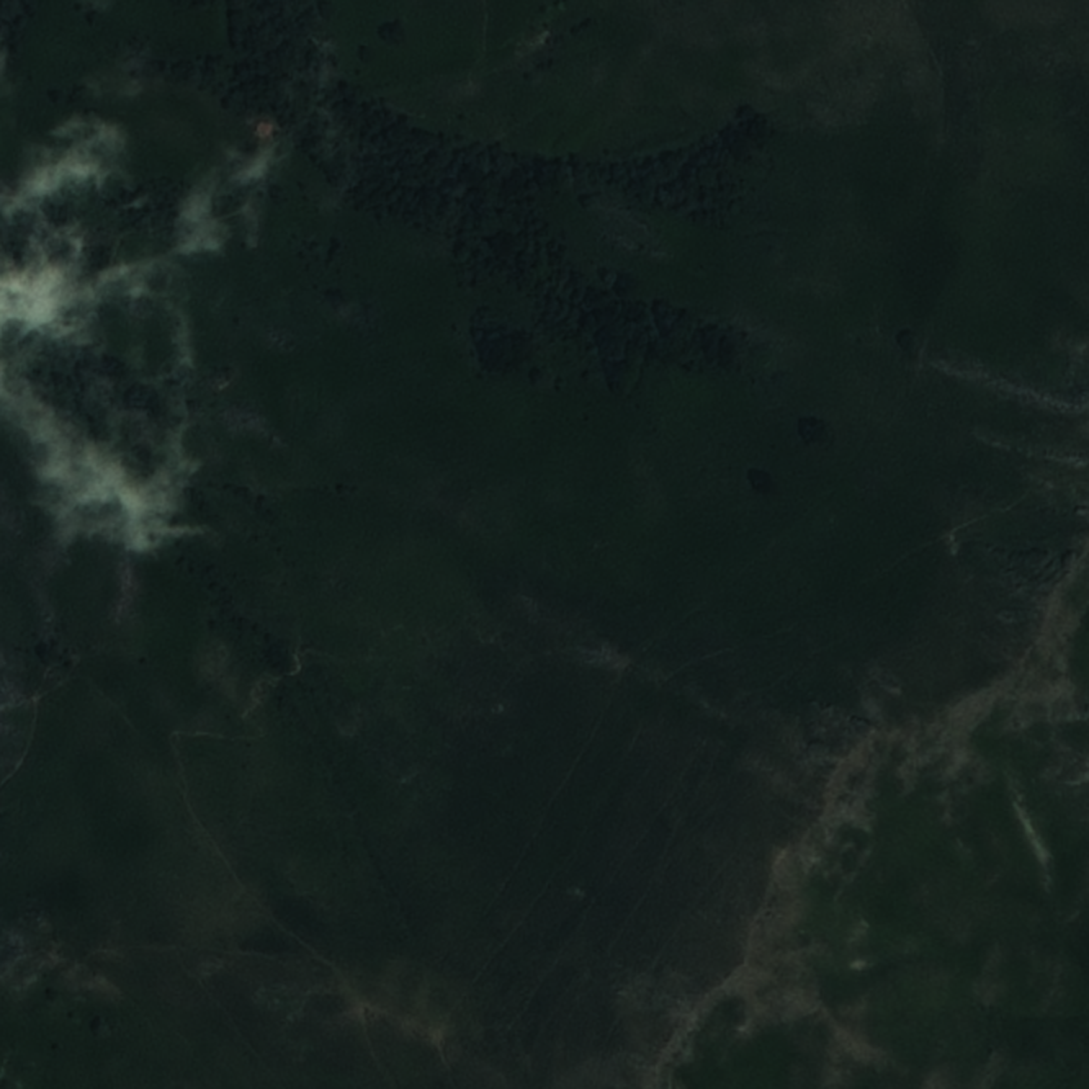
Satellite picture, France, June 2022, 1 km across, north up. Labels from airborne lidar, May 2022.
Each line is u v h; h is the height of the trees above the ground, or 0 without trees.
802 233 0
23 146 0
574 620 0
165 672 0
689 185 15
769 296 0
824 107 0
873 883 0
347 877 0
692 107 0
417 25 0
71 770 0
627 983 0
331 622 0
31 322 19
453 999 0
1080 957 0
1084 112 0
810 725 0
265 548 0
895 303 0
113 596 0
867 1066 0
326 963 0
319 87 12
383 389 0
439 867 0
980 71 0
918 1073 0
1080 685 0
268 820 0
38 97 0
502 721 0
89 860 0
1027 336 0
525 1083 0
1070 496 0
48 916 0
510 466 0
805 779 0
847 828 0
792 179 0
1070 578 0
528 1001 0
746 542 0
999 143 0
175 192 7
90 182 0
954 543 0
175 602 0
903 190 0
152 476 8
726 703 0
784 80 0
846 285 0
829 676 0
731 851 0
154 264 0
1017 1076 0
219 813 0
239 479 0
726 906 0
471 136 0
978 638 0
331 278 0
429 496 0
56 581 0
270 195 16
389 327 0
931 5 0
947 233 0
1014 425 0
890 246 0
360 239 0
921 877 0
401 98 0
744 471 0
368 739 0
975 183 0
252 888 0
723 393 0
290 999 0
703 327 12
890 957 0
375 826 0
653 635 0
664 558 0
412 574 0
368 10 0
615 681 0
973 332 0
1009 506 0
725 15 0
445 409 0
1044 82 0
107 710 0
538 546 0
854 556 0
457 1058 0
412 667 0
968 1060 0
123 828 0
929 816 0
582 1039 0
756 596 0
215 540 0
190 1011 0
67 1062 0
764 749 0
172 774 0
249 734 0
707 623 0
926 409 0
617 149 0
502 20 0
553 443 0
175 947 0
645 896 0
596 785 0
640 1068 0
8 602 0
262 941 0
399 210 10
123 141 0
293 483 0
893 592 0
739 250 0
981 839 0
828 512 0
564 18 0
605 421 0
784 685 0
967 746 0
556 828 0
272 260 0
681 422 0
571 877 0
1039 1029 0
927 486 0
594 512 0
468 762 0
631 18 0
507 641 0
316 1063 0
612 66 0
